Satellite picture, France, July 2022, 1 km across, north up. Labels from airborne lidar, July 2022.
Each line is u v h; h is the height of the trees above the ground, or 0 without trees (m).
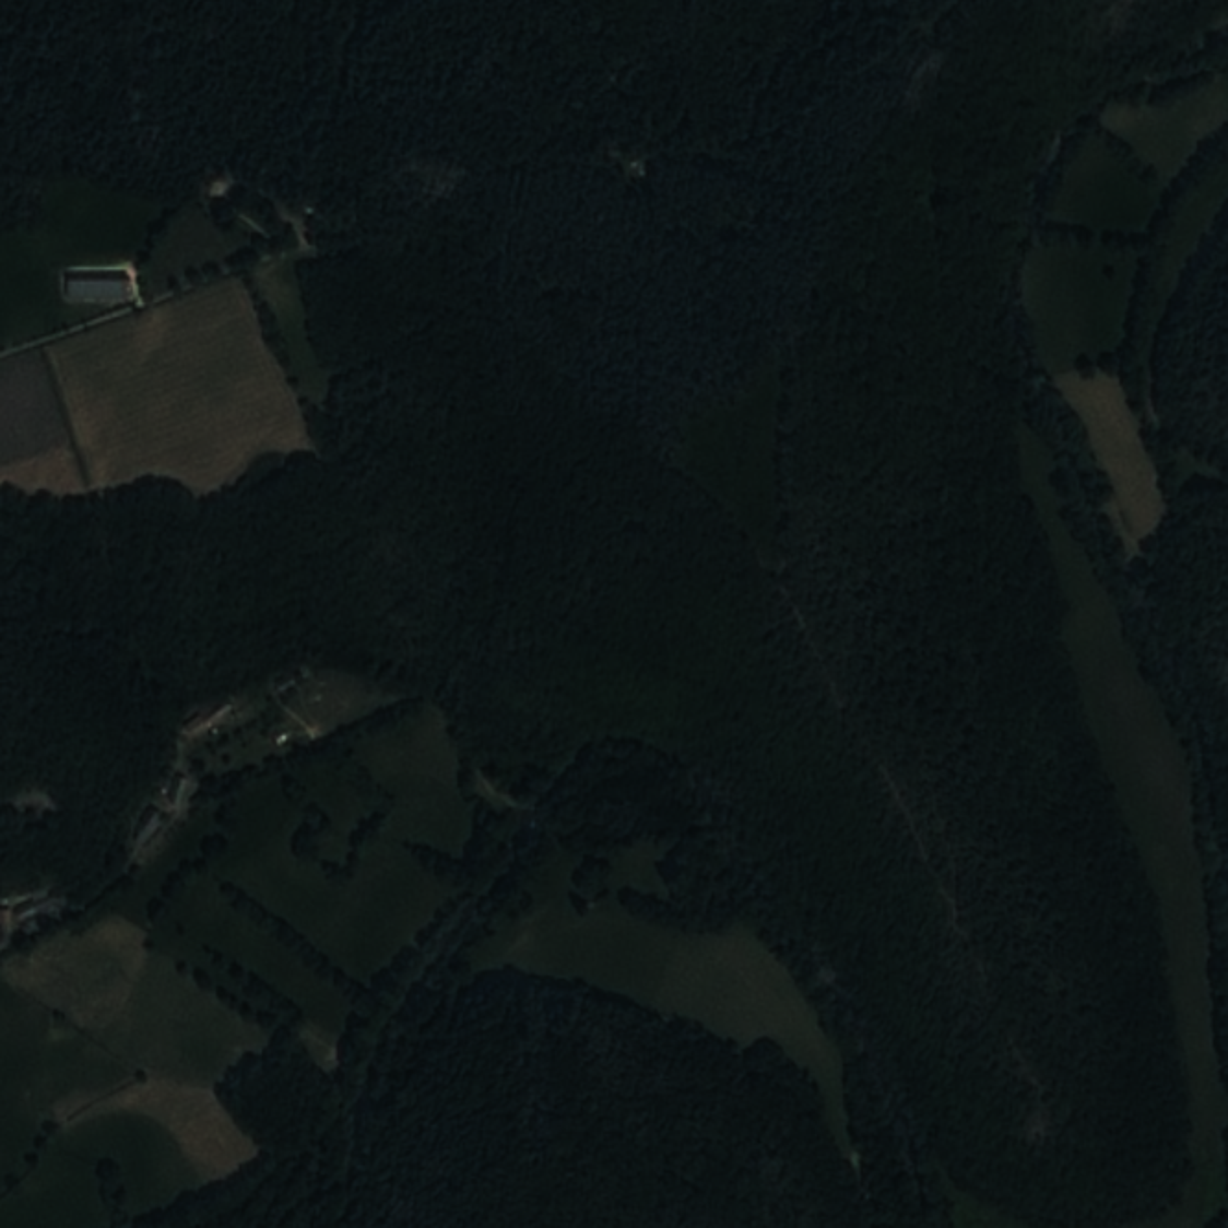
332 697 0
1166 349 13
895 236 23
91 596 18
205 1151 0
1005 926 11
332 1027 0
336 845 0
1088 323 0
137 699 18
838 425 19
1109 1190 17
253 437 0
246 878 0
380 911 0
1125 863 22
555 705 19
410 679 13
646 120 24
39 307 0
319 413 9
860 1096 19
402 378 19
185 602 16
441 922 18
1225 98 0
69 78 23
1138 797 0
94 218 0
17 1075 0
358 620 17
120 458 0
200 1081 0
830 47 24
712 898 16
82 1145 0
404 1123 19
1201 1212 0
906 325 25
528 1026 37
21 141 19
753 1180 18
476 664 15
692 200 22
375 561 11
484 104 27
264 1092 22
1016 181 24
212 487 0
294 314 0
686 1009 0
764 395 0
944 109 29
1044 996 16
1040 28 20
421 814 0
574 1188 17
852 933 18
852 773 13
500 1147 21
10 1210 0
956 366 21
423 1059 23
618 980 0
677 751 15
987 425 29
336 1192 22
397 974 17
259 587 20
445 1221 14
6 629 22
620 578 16
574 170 26
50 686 22
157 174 23
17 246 0
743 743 9
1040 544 23
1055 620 23
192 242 0
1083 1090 14
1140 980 23
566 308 16
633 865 0
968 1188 20
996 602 24
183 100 23
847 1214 21
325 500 24
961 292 26
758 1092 25
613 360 21
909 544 22
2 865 23
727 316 21
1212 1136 0
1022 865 15
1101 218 0
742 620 19
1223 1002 22
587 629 18
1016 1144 17
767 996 0
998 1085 11
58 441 0
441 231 18
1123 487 0
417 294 19
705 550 20
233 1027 0
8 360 0
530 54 21
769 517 0
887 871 16
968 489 24
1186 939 0
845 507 18
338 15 18
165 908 16
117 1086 0
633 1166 22
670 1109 15
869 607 19
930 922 13
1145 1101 23
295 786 13
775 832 18
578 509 20
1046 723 20
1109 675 0
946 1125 22
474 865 24
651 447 15
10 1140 0
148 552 19
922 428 19
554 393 21
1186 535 21
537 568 21
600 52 19
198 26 21
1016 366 18
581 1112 20
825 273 16
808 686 7
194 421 0
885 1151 22
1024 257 8
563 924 0
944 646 14
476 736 15
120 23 22
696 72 21
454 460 24
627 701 19
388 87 20
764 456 0
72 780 16
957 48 23
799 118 34
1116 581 17
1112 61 21
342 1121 22
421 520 19
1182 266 0
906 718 15
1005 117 28
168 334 0
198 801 8
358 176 22
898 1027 15
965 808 15
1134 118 0
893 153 20
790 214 23
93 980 0
